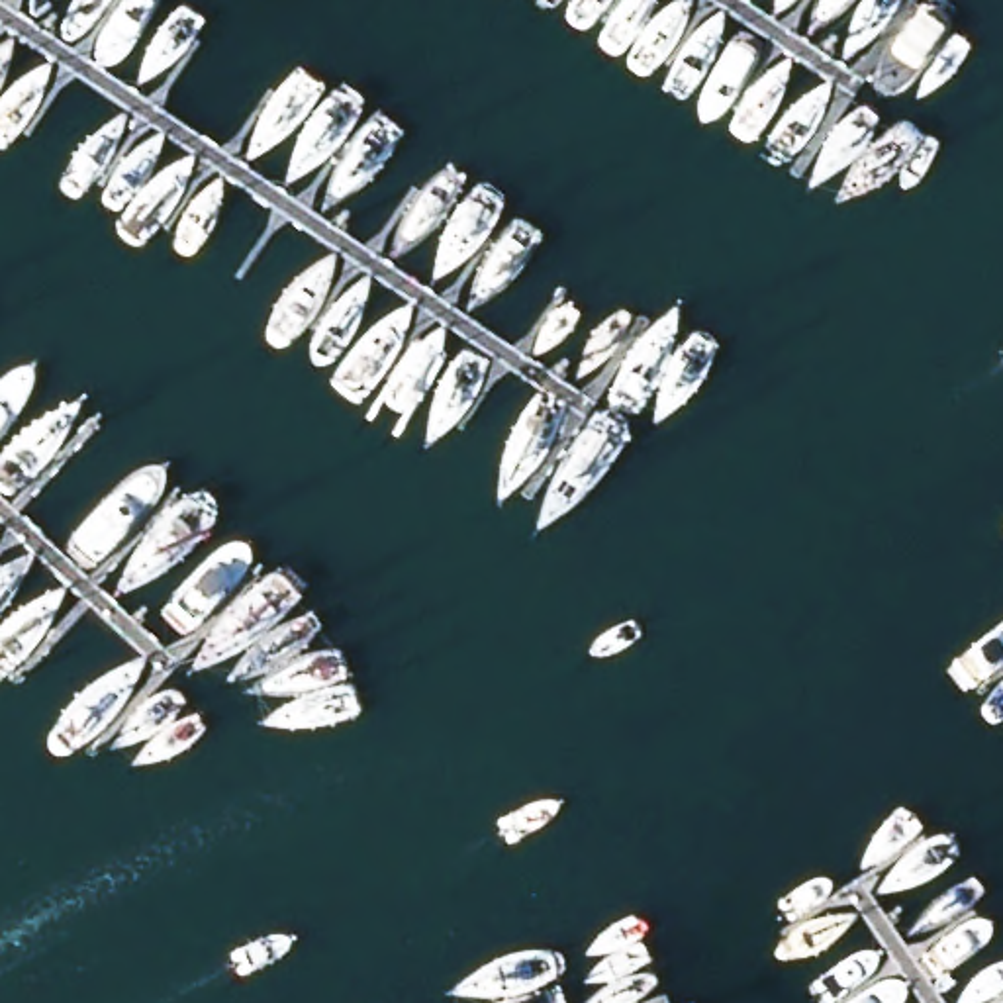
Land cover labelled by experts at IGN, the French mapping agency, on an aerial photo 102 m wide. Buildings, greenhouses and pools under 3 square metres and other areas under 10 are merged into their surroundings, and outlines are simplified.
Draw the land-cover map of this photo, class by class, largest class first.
<instances>
[{"label":"water","instance_id":"1","mask_svg":"<svg viewBox=\"0 0 1003 1003\"><path fill-rule=\"evenodd\" d=\"M0 1003H1003V0H0Z\"/></svg>","mask_w":1003,"mask_h":1003}]
</instances>
